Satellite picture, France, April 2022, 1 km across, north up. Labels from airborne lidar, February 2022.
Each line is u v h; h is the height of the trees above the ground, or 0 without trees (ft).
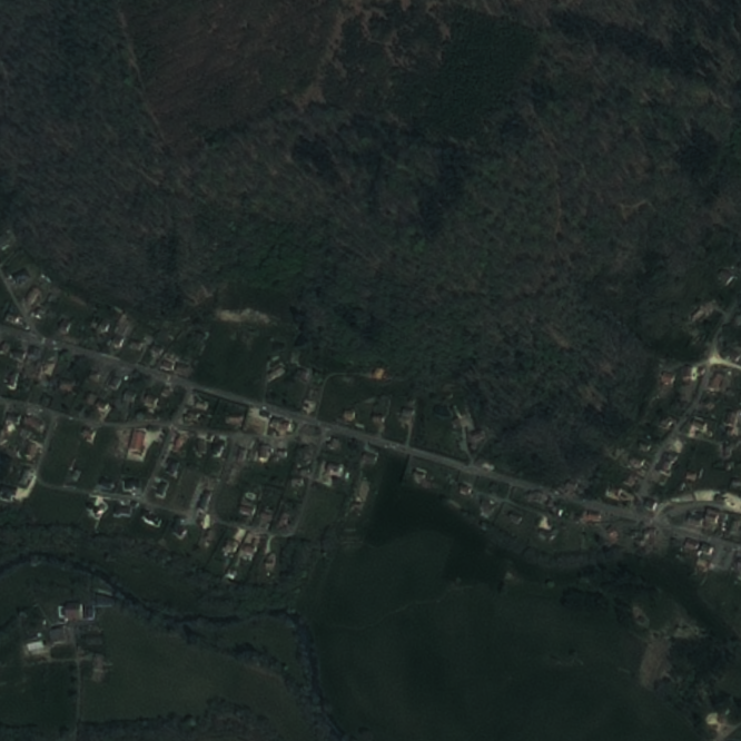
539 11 65
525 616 0
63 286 29
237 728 51
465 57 29
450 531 0
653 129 87
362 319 90
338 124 88
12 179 83
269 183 91
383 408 0
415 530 0
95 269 73
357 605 0
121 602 54
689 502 0
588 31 81
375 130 83
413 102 26
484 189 90
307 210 32
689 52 66
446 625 0
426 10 29
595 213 90
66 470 0
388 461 0
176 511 0
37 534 66
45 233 84
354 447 33
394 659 0
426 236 63
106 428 0
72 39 76
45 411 0
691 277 0
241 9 29
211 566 0
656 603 0
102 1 81
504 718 0
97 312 20
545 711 0
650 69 82
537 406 40
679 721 0
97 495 0
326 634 0
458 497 0
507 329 74
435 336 80
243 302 0
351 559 0
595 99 99
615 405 50
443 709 0
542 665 0
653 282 68
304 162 81
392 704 0
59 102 89
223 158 95
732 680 0
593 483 33
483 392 73
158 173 79
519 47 35
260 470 0
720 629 0
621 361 87
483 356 98
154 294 72
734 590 0
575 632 0
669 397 0
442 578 0
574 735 0
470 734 0
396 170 91
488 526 44
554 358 70
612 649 0
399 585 0
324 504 0
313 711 74
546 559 53
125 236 79
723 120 109
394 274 37
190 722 36
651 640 0
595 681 0
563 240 61
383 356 62
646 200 73
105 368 0
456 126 31
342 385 0
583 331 69
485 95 30
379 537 0
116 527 0
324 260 62
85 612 0
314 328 94
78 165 90
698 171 90
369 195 70
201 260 80
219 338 0
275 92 30
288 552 44
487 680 0
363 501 0
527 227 91
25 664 0
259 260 62
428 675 0
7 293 0
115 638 0
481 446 0
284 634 0
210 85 27
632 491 20
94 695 0
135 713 0
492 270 87
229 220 65
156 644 0
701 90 100
